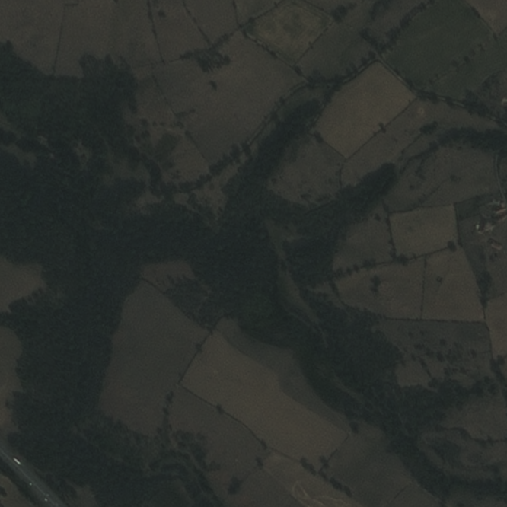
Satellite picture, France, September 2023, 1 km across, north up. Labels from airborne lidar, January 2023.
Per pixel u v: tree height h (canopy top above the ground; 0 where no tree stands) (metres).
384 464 0
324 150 0
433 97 13
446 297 0
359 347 9
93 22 0
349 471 0
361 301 0
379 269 0
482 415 0
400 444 14
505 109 11
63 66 0
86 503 0
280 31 0
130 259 10
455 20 0
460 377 0
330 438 0
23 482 0
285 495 0
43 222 23
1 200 19
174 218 10
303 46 0
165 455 14
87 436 19
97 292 28
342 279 0
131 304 0
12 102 9
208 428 0
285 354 0
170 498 0
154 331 0
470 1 0
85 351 16
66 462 15
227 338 0
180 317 0
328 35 0
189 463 14
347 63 0
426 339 0
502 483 15
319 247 19
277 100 0
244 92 0
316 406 0
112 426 13
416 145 0
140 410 0
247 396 0
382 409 12
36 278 0
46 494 0
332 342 10
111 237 8
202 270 8
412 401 14
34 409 20
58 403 20
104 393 0
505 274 0
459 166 0
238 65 0
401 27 12
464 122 0
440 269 0
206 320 10
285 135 17
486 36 0
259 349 0
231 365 0
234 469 0
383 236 0
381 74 0
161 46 0
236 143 0
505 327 0
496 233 0
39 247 17
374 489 0
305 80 0
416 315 0
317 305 15
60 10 0
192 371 0
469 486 6
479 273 0
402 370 0
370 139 0
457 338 0
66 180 6
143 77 0
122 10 0
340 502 0
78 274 20
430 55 0
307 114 16
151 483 7
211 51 11
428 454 0
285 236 0
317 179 0
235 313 11
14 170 25
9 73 8
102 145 18
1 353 0
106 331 6
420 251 0
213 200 0
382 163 0
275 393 0
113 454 15
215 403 0
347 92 0
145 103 0
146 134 10
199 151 0
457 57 0
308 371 0
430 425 15
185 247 22
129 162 0
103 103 18
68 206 12
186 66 0
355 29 0
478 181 0
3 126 0
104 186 0
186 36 0
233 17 0
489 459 0
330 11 0
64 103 11
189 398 0
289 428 0
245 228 23
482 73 0
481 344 0
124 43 0
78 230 9
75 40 0
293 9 0
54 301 6
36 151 13
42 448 24
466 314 0
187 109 0
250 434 0
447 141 7
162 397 0
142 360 0
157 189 14
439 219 0
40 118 19
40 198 25
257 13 0
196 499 15
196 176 0
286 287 0
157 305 0
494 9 0
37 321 17
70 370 21
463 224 0
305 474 0
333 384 0
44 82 7
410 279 0
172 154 0
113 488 10
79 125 28
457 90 0
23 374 9
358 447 0
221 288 9
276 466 0
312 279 10
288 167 0
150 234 22
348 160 0
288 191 0
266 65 0
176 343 0
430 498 0
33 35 0
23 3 0
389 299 0
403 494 0
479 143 12
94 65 11
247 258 6
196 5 0
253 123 0
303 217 6
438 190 0
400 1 0
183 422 0
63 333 24
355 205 17
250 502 0
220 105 0
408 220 0
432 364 0
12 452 0
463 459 0
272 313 17
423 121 0
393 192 0
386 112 0
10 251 18
